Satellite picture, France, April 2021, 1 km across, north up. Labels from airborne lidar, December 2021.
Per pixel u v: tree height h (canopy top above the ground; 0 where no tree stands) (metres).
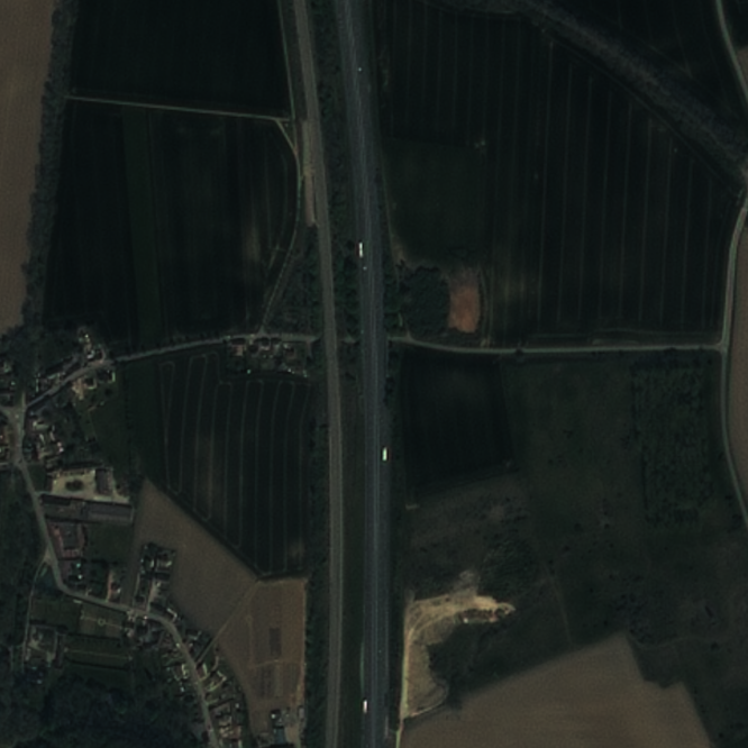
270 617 0
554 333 0
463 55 0
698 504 0
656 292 0
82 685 16
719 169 0
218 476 0
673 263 0
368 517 0
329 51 10
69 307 0
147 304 0
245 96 0
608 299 0
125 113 0
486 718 0
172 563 0
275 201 0
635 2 0
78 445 7
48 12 0
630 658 0
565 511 0
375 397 0
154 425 0
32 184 0
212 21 0
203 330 0
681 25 0
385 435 0
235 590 0
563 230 0
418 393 0
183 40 0
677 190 0
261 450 0
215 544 0
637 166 0
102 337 8
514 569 0
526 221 0
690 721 0
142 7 0
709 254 0
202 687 0
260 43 0
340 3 0
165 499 0
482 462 0
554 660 0
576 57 0
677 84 17
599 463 0
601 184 0
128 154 0
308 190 0
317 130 0
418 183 0
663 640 0
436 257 0
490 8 8
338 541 0
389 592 0
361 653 0
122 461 0
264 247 0
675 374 16
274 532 0
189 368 0
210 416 0
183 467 0
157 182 0
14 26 0
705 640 0
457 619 0
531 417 0
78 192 0
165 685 13
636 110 0
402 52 0
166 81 0
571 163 0
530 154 0
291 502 0
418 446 0
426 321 9
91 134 0
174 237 0
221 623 0
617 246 0
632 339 0
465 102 0
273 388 0
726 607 0
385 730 0
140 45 0
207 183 0
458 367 0
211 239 0
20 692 23
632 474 0
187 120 0
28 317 16
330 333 0
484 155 0
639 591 0
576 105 0
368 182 0
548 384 0
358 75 0
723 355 0
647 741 0
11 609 13
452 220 0
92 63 0
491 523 0
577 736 0
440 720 0
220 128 0
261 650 0
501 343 0
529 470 0
